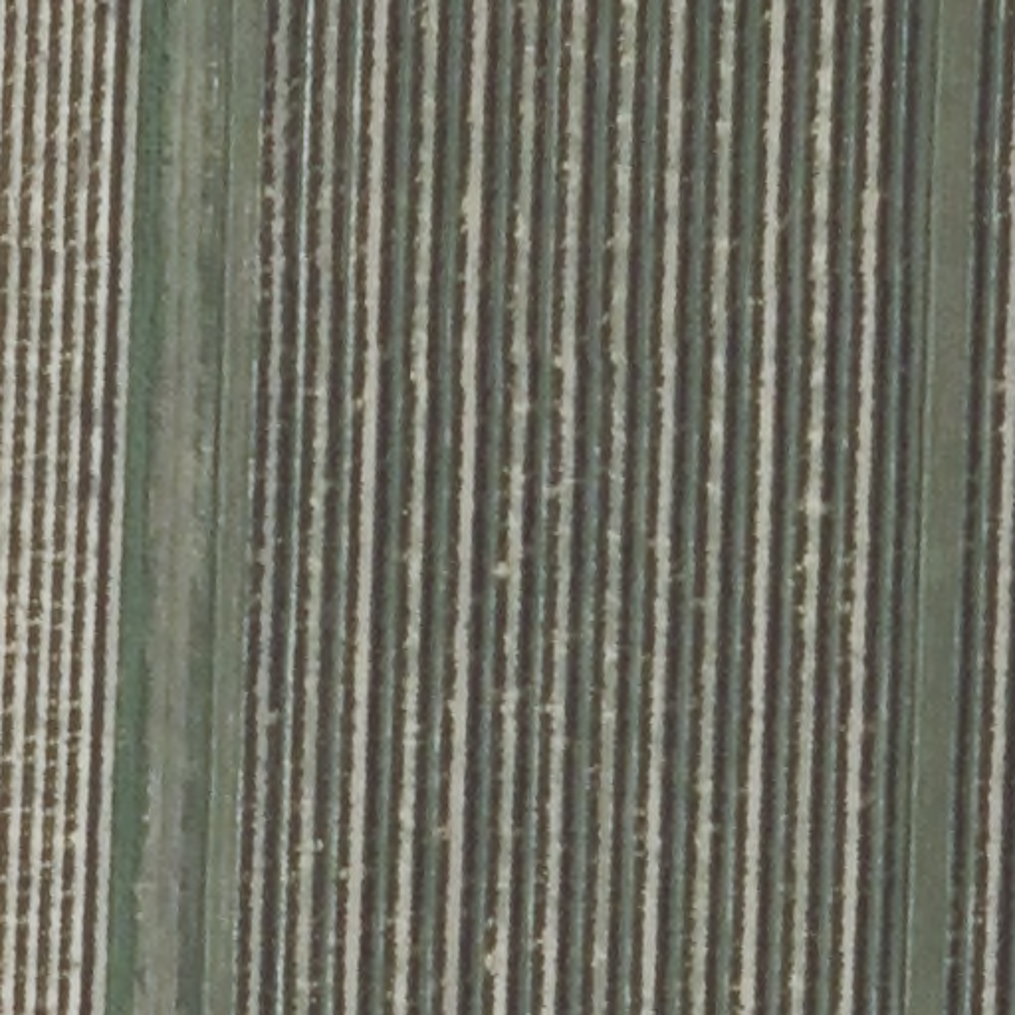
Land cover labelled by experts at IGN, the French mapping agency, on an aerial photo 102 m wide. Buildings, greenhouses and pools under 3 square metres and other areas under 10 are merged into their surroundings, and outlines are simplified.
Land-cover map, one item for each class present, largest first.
<instances>
[{"label":"vineyard","instance_id":"1","mask_svg":"<svg viewBox=\"0 0 1015 1015\"><path fill-rule=\"evenodd\" d=\"M0 1015H1015V0H0Z\"/></svg>","mask_w":1015,"mask_h":1015}]
</instances>
